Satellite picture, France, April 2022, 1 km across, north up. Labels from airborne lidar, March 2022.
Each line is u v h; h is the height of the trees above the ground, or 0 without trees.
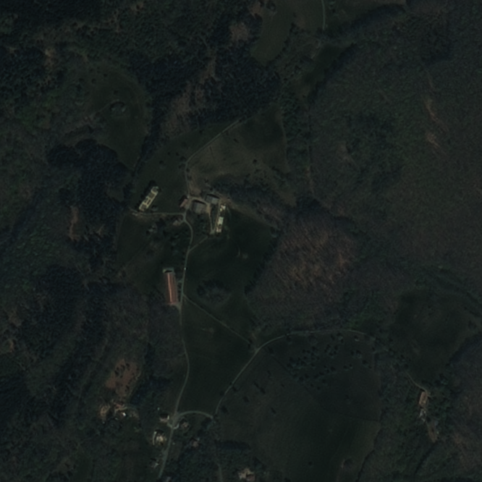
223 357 0
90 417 23
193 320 0
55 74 8
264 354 0
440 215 24
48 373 20
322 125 25
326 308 31
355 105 17
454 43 20
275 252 21
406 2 0
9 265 18
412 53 21
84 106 9
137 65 20
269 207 28
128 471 0
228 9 5
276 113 0
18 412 14
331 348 6
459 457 27
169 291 0
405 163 16
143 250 0
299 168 24
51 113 8
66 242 23
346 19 0
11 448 6
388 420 22
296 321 22
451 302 0
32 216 28
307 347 0
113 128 0
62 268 28
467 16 30
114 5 9
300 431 0
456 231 28
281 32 0
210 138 0
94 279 0
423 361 0
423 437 0
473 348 25
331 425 0
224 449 19
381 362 19
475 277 24
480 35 29
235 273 0
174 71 30
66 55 26
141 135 0
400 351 0
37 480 20
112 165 32
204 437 17
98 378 24
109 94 0
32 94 14
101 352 23
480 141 27
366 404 0
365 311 20
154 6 14
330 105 22
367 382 0
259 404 0
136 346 27
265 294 20
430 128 23
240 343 0
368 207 17
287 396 0
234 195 15
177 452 0
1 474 22
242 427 0
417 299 0
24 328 6
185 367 0
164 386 26
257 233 0
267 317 23
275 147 0
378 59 21
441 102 24
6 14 9
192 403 0
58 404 6
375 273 28
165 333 22
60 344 23
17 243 23
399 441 27
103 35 7
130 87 0
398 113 15
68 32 9
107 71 0
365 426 0
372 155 15
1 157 25
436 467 8
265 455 0
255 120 0
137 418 0
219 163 0
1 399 21
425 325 0
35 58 29
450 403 9
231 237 0
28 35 9
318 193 23
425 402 0
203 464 18
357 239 28
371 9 0
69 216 23
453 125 24
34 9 15
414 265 21
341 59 0
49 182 21
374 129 12
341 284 31
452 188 22
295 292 21
